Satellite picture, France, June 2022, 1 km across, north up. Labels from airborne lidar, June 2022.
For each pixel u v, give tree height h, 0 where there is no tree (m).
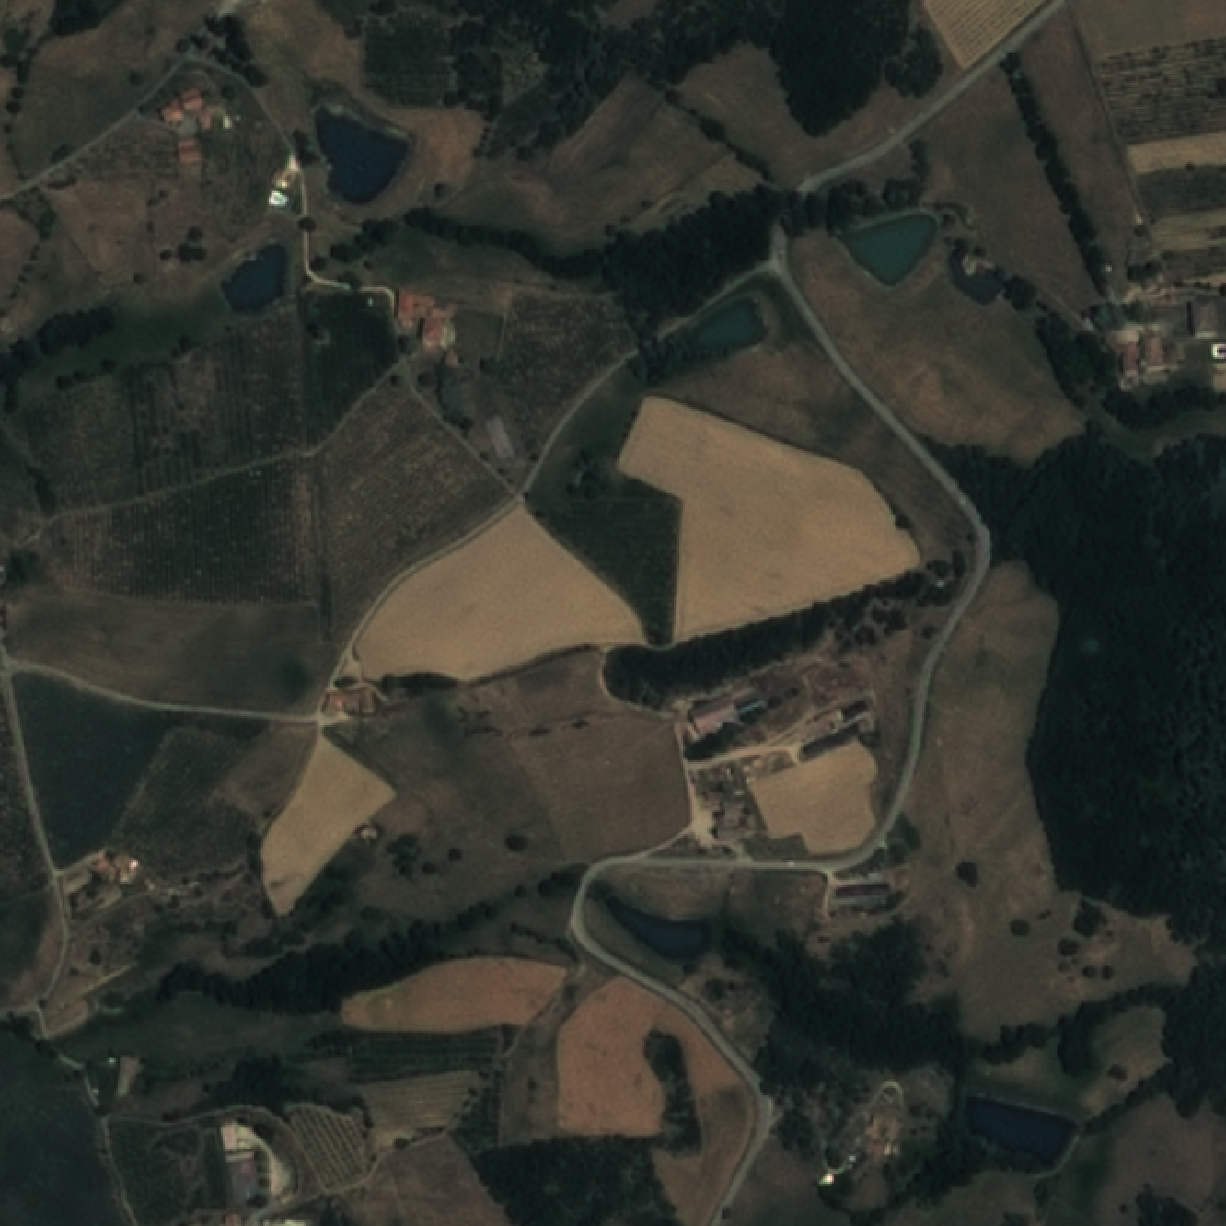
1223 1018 9
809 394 0
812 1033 12
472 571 0
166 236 0
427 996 0
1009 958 0
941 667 0
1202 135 0
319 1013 7
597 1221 10
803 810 0
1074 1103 0
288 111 0
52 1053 11
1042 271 0
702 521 0
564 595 0
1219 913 17
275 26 0
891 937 8
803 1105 8
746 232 11
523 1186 9
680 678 6
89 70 0
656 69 11
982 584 0
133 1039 0
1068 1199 0
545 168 0
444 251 0
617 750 0
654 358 12
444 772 0
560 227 0
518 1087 0
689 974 8
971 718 0
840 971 12
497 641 0
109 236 0
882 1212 10
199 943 0
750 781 0
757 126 0
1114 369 14
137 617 0
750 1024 0
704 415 0
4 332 0
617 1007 0
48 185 0
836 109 15
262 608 0
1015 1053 18
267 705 0
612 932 0
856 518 0
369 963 24
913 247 0
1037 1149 0
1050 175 10
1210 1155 0
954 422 0
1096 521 14
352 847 0
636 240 21
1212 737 23
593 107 16
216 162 0
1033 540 16
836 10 15
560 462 0
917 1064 9
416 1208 0
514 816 0
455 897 0
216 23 22
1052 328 28
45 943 0
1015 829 0
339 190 0
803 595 0
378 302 0
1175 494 20
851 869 0
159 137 0
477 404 0
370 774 0
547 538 0
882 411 0
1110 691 15
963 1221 0
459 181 0
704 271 8
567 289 0
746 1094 0
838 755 0
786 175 0
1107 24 0
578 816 0
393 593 0
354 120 0
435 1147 0
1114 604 18
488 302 0
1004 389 0
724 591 0
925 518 0
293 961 15
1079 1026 18
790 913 0
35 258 8
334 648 0
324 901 6
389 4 9
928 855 0
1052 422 0
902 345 0
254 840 10
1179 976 0
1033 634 0
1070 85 0
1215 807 18
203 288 0
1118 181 0
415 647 0
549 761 0
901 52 7
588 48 20
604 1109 0
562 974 0
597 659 0
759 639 10
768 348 0
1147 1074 0
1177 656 19
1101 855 16
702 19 8
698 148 0
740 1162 0
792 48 16
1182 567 16
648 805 0
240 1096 7
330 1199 6
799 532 0
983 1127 0
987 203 0
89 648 0
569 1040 0
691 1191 0
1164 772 16
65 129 0
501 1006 0
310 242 0
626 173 0
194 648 0
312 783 0
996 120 0
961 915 0
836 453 0
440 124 0
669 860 0
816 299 0
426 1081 0
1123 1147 0
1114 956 0
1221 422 0
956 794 0
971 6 0
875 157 0
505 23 11
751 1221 0
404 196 0
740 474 0
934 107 0
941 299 0
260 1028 0
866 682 0
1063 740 13
